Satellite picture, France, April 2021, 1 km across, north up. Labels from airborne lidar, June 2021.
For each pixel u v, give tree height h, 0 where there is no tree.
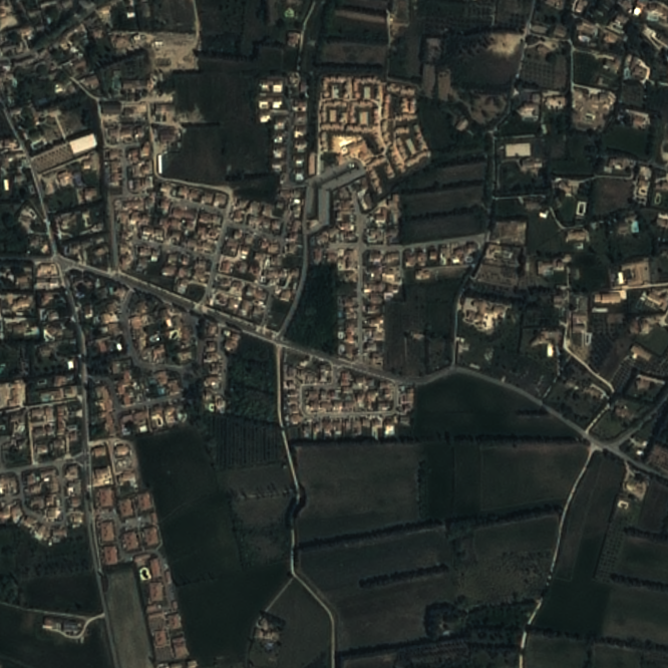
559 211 7
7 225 14
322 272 10
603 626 0
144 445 0
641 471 8
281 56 0
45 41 21
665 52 12
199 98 0
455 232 0
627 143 0
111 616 0
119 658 0
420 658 8
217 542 0
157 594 0
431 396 0
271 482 0
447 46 7
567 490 0
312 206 0
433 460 0
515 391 0
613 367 0
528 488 0
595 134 15
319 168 0
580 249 0
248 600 0
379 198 10
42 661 0
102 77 7
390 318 0
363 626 0
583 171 0
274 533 5
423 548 0
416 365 0
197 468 0
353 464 0
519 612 8
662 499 0
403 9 0
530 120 0
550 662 0
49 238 7
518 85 8
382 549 0
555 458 0
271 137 7
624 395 7
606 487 0
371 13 11
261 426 11
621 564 0
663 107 0
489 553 0
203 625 0
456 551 8
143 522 0
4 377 6
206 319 11
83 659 0
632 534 12
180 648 0
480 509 0
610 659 0
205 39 7
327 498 0
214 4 0
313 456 0
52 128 0
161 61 0
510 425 0
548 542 0
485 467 0
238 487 0
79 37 11
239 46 8
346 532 0
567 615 0
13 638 0
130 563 5
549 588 9
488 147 9
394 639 0
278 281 0
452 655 7
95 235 7
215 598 0
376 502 0
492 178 8
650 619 0
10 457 8
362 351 0
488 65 0
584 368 7
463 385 0
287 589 0
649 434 0
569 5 10
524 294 8
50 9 11
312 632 0
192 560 0
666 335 0
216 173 0
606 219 10
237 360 5
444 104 12
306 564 0
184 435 0
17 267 9
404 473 0
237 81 0
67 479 0
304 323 12
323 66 15
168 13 0
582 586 0
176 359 8
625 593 0
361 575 0
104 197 7
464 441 14
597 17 12
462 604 16
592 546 0
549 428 0
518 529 0
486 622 9
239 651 0
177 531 0
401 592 0
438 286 0
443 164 7
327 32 11
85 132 8
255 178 11
